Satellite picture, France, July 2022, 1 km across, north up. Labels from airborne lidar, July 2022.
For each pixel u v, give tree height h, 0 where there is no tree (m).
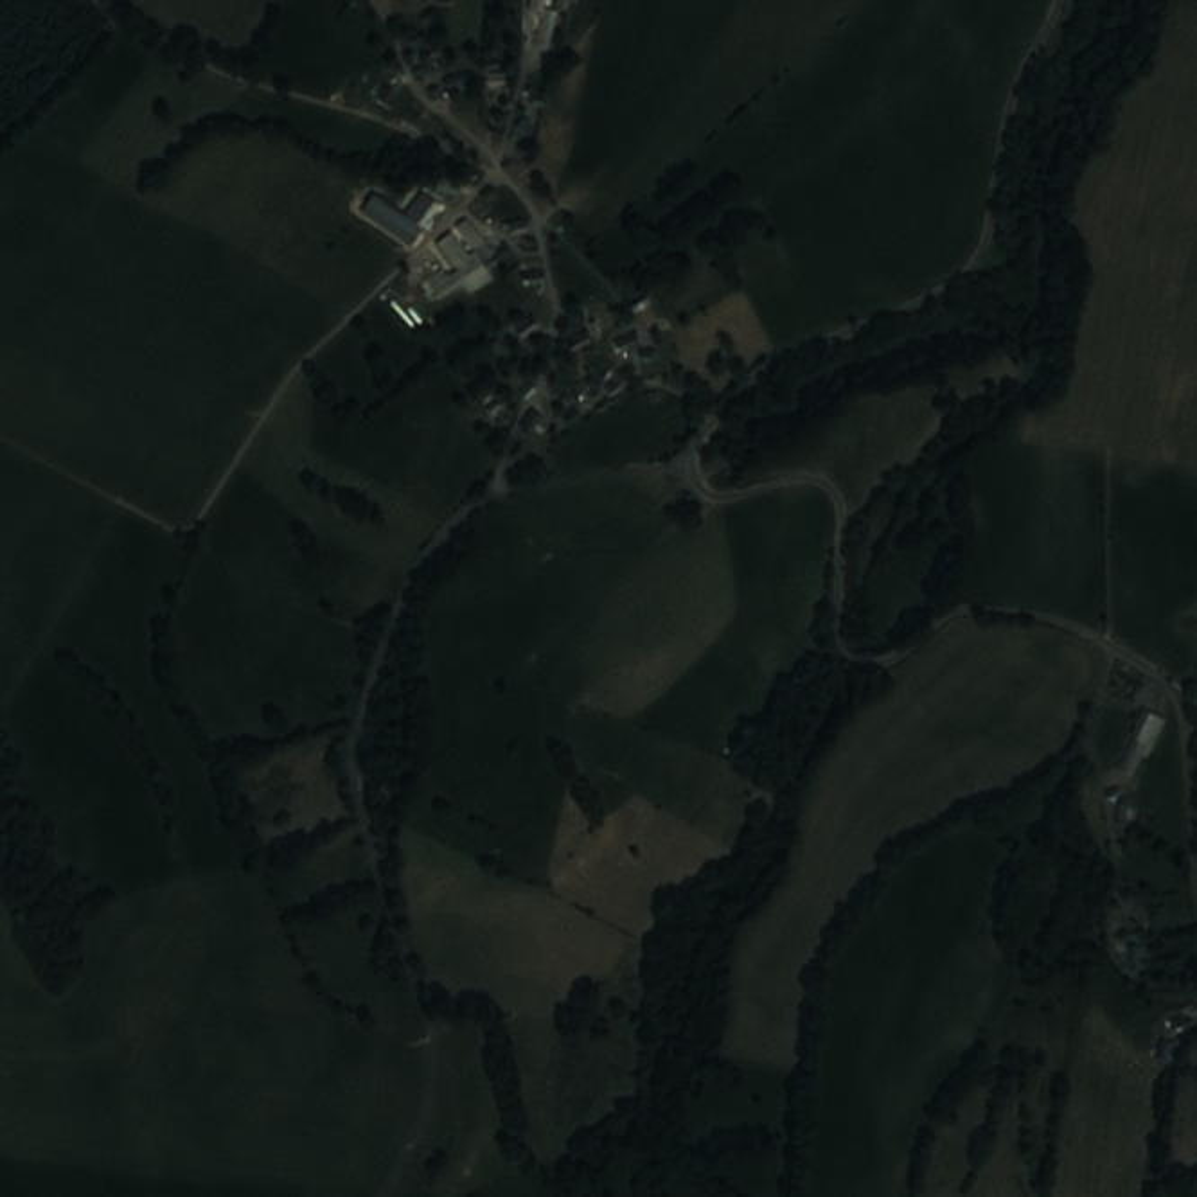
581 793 20
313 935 0
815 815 0
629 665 0
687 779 0
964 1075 17
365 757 21
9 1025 0
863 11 0
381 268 0
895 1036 0
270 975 0
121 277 0
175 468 0
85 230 0
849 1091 0
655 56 0
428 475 0
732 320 0
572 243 0
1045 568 0
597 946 0
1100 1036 0
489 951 0
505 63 12
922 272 0
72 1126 0
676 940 25
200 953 0
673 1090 12
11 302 0
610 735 0
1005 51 0
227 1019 0
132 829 0
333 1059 0
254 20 0
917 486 16
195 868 0
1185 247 0
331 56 0
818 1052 18
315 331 0
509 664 0
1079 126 8
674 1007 17
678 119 0
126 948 0
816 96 0
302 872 0
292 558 0
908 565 0
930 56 0
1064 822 17
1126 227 0
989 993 0
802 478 0
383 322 0
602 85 0
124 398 0
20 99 11
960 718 0
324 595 0
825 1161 0
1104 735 0
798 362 23
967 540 17
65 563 0
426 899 0
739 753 17
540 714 0
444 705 0
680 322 9
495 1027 21
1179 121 0
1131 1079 0
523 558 0
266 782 0
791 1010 0
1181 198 0
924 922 0
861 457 0
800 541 0
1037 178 13
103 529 0
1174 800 0
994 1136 16
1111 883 20
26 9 7
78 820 0
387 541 0
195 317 0
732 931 8
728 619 0
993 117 0
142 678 0
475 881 0
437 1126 0
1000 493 0
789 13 0
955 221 0
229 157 0
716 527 0
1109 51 23
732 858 13
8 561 0
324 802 0
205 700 0
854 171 0
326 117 0
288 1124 0
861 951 0
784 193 0
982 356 16
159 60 15
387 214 0
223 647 0
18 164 0
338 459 0
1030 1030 0
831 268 0
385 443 0
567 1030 19
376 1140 0
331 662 0
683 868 0
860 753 0
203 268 0
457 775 0
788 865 15
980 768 0
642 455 0
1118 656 0
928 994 0
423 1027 0
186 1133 0
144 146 0
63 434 0
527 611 0
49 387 0
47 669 0
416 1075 0
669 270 20
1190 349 0
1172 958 8
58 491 0
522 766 0
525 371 16
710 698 0
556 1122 0
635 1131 16
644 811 0
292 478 0
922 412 0
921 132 0
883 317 15
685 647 0
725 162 0
